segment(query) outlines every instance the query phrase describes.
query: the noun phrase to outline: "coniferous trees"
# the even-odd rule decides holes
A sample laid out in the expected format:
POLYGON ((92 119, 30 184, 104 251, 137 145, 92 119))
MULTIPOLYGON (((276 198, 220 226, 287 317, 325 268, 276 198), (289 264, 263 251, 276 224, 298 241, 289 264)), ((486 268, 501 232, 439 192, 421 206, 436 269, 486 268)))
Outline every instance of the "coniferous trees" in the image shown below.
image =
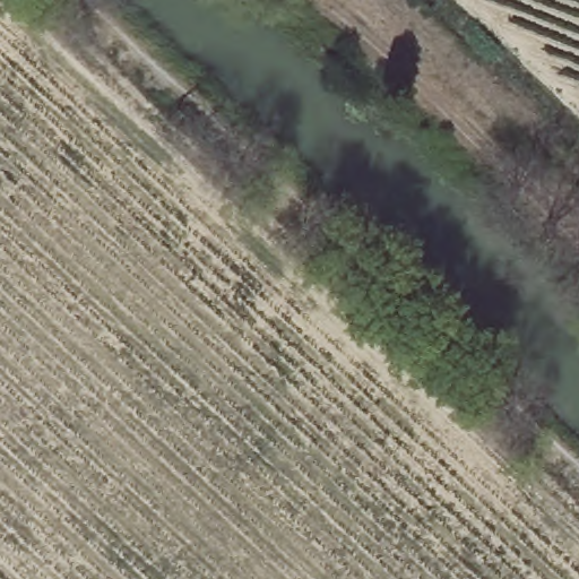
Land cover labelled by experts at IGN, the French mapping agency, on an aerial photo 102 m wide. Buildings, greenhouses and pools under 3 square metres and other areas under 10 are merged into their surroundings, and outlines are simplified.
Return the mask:
POLYGON ((260 25, 251 14, 233 16, 228 23, 237 29, 251 29, 260 25))

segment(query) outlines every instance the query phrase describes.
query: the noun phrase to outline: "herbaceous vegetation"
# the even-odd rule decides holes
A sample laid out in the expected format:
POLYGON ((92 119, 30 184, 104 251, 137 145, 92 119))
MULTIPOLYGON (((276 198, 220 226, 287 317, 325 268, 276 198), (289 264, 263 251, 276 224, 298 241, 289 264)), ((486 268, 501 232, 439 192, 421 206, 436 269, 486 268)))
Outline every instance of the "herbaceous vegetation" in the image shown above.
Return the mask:
POLYGON ((563 199, 565 192, 572 188, 570 183, 550 183, 532 176, 520 185, 518 197, 536 215, 545 215, 552 208, 554 199, 563 199))
POLYGON ((100 23, 95 9, 106 9, 167 72, 172 72, 188 86, 183 95, 176 95, 170 88, 147 88, 145 97, 158 109, 158 113, 149 115, 147 120, 163 133, 163 138, 170 145, 176 147, 179 154, 183 154, 197 167, 197 172, 204 174, 204 179, 208 179, 215 185, 215 190, 222 192, 224 199, 235 201, 240 215, 249 217, 256 226, 267 231, 285 249, 285 253, 299 262, 303 260, 303 237, 299 228, 292 231, 278 224, 276 217, 301 192, 314 199, 323 192, 323 185, 292 145, 278 140, 269 127, 265 127, 256 118, 253 111, 233 102, 213 72, 208 72, 197 61, 185 59, 158 27, 154 27, 154 23, 147 16, 140 14, 140 9, 127 5, 127 0, 72 0, 81 9, 86 25, 100 23))
POLYGON ((529 375, 518 364, 513 375, 507 378, 507 396, 495 414, 500 416, 495 421, 495 432, 502 434, 495 446, 507 452, 518 452, 520 459, 541 459, 543 455, 547 455, 550 464, 545 473, 579 504, 579 457, 559 439, 552 443, 550 452, 536 446, 536 439, 543 434, 543 427, 525 407, 534 403, 545 403, 541 398, 541 389, 529 380, 529 375))
POLYGON ((430 115, 450 120, 457 140, 473 154, 473 161, 477 165, 489 165, 498 156, 500 145, 491 136, 495 118, 511 118, 518 124, 527 124, 538 118, 536 106, 527 97, 504 93, 502 86, 495 84, 495 77, 486 72, 486 68, 464 57, 455 41, 434 20, 421 16, 418 7, 409 7, 407 0, 314 0, 317 9, 326 18, 348 29, 355 29, 360 34, 366 57, 375 61, 387 59, 394 38, 403 32, 412 32, 416 36, 416 43, 421 47, 418 75, 414 81, 416 104, 430 115))

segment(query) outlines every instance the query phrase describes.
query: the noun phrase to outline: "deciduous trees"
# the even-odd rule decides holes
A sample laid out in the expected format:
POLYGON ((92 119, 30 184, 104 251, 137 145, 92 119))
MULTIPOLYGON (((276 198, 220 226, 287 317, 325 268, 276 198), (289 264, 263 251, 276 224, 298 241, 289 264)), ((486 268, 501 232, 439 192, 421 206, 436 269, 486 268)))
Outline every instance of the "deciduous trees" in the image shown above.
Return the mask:
POLYGON ((72 0, 18 0, 32 5, 45 18, 45 23, 41 23, 43 29, 52 32, 59 41, 63 41, 68 34, 81 34, 86 25, 81 9, 72 0))
POLYGON ((534 403, 525 407, 543 427, 543 434, 536 439, 536 446, 550 452, 552 443, 559 439, 579 457, 579 437, 572 434, 563 423, 559 423, 559 418, 550 412, 545 403, 534 403))
POLYGON ((423 389, 427 391, 427 396, 437 398, 437 405, 452 407, 455 412, 459 412, 461 407, 473 407, 479 412, 495 414, 507 396, 507 378, 513 375, 518 364, 518 339, 507 335, 520 308, 520 294, 516 287, 511 287, 502 278, 491 290, 479 285, 468 262, 461 260, 457 251, 437 247, 439 226, 434 219, 416 222, 407 219, 400 208, 380 208, 369 185, 357 185, 353 190, 344 183, 323 185, 323 192, 314 199, 301 192, 276 217, 278 224, 292 231, 299 228, 303 237, 303 260, 299 262, 303 265, 303 274, 310 276, 314 283, 319 280, 319 276, 326 276, 330 285, 328 294, 332 299, 337 299, 339 294, 351 299, 351 310, 369 321, 373 339, 378 342, 375 346, 380 346, 384 355, 403 351, 409 369, 423 369, 423 389))
POLYGON ((355 29, 348 29, 326 18, 317 9, 314 0, 224 0, 222 18, 228 23, 233 16, 251 14, 260 25, 283 36, 301 59, 319 68, 323 90, 344 102, 351 120, 375 120, 378 124, 382 124, 387 131, 391 131, 394 138, 403 140, 443 185, 448 185, 452 192, 466 199, 484 217, 486 233, 498 237, 525 269, 536 269, 545 285, 554 290, 559 301, 552 305, 550 317, 563 330, 579 339, 579 118, 572 111, 568 111, 563 102, 556 100, 552 90, 543 86, 529 70, 525 70, 520 59, 511 52, 511 47, 507 47, 479 18, 470 16, 455 0, 407 0, 409 7, 418 7, 421 16, 434 20, 455 41, 464 57, 486 68, 486 72, 495 77, 495 84, 502 86, 504 93, 527 97, 536 106, 538 118, 527 124, 518 124, 511 118, 495 118, 491 136, 500 145, 498 156, 489 165, 477 165, 473 161, 473 154, 457 140, 450 120, 430 115, 416 104, 414 81, 418 75, 421 47, 416 43, 416 36, 412 32, 403 32, 394 38, 387 59, 375 61, 366 57, 360 34, 355 29), (554 199, 552 208, 545 215, 536 215, 518 197, 520 185, 532 176, 550 183, 570 183, 572 188, 565 192, 563 199, 554 199))

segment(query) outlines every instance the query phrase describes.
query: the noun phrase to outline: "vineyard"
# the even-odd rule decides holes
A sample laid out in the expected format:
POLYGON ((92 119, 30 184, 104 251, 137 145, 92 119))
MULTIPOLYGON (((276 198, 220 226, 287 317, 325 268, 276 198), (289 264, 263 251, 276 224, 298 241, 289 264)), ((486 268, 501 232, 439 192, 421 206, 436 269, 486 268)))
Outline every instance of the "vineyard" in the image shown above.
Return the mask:
POLYGON ((579 0, 491 0, 513 9, 509 23, 534 34, 547 36, 545 52, 552 54, 550 68, 561 77, 579 81, 579 0))
POLYGON ((507 452, 495 446, 502 434, 495 432, 495 421, 500 416, 495 414, 479 412, 473 407, 461 407, 459 412, 455 412, 452 407, 437 405, 437 398, 427 396, 427 391, 423 389, 423 369, 409 369, 403 351, 384 355, 380 346, 375 346, 378 342, 373 339, 369 321, 351 310, 351 299, 339 294, 337 299, 332 299, 328 294, 330 285, 326 276, 319 276, 319 280, 314 283, 310 276, 303 274, 303 265, 299 262, 285 253, 285 249, 267 231, 256 226, 249 217, 240 215, 235 201, 224 199, 222 192, 215 190, 215 185, 208 179, 204 179, 204 174, 197 172, 197 167, 183 154, 179 154, 176 147, 170 145, 163 138, 163 133, 147 120, 149 115, 158 113, 158 109, 145 97, 147 88, 170 88, 176 95, 183 95, 188 86, 172 72, 167 72, 106 9, 95 9, 100 23, 86 25, 81 34, 68 34, 63 41, 59 41, 52 32, 43 29, 41 23, 45 23, 45 18, 32 5, 18 0, 0 0, 0 579, 579 579, 579 504, 545 473, 550 464, 547 455, 543 455, 541 459, 520 459, 518 452, 507 452))

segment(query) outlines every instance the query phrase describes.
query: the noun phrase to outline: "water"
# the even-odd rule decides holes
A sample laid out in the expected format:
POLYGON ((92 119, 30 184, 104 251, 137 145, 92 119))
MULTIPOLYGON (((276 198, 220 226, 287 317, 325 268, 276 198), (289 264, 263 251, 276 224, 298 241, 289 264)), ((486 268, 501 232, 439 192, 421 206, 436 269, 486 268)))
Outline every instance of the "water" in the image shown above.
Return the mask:
POLYGON ((353 190, 357 185, 369 185, 380 208, 400 208, 407 219, 416 222, 434 219, 439 226, 437 247, 457 251, 461 260, 468 262, 479 285, 491 290, 502 278, 511 287, 516 287, 520 294, 520 308, 507 335, 518 339, 518 364, 529 375, 529 380, 541 389, 541 398, 545 403, 550 412, 559 418, 559 423, 563 423, 572 434, 579 437, 579 339, 563 330, 550 317, 552 305, 559 301, 554 290, 545 285, 536 269, 525 269, 498 237, 486 233, 484 217, 466 199, 452 192, 448 185, 443 185, 403 140, 394 138, 391 131, 387 131, 382 124, 378 124, 375 120, 351 120, 344 102, 323 90, 319 68, 301 59, 283 36, 260 25, 251 29, 237 29, 228 23, 222 18, 224 0, 127 0, 127 5, 140 9, 140 14, 147 16, 154 23, 154 27, 158 27, 185 59, 197 61, 208 72, 213 72, 233 102, 253 111, 256 118, 265 127, 269 127, 278 140, 292 145, 323 185, 344 183, 353 190))

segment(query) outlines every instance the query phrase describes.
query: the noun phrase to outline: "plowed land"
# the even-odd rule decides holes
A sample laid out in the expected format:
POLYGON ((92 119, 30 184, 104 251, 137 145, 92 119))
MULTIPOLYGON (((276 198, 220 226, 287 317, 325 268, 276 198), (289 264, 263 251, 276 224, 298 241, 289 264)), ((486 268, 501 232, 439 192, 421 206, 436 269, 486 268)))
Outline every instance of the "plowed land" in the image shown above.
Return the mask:
POLYGON ((579 81, 561 77, 550 68, 552 54, 545 52, 547 36, 534 34, 509 23, 513 9, 491 0, 455 0, 470 16, 479 18, 507 47, 511 47, 511 52, 520 59, 525 70, 529 70, 543 86, 552 90, 556 100, 563 102, 568 111, 572 111, 579 118, 579 81))

